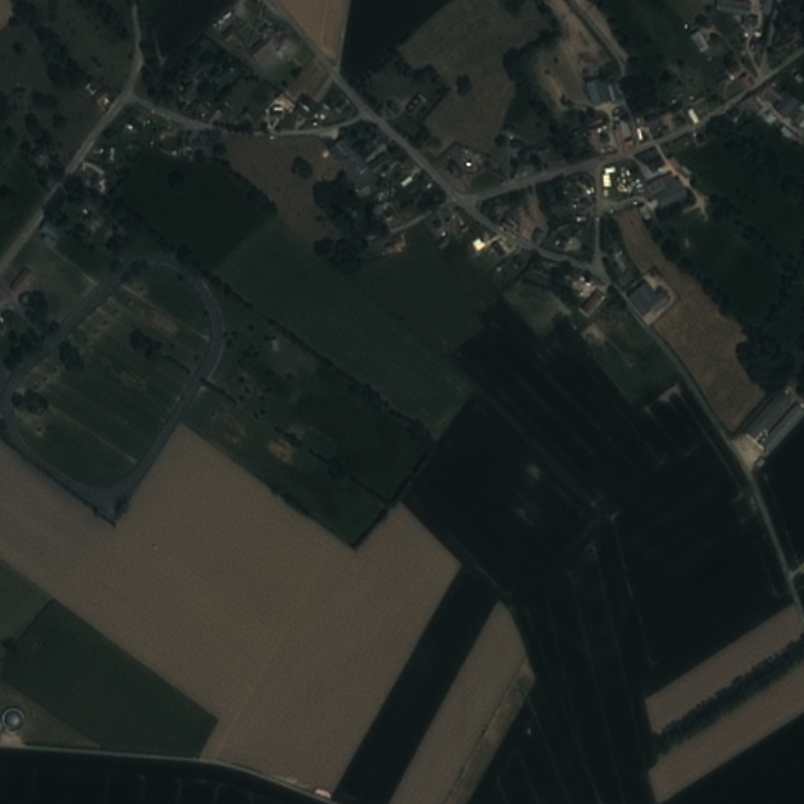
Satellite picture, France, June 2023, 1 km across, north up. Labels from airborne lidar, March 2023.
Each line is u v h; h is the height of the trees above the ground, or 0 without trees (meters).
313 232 0
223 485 0
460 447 0
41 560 0
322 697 0
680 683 0
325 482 0
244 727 0
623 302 14
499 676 0
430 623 0
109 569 0
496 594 0
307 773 0
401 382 0
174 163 0
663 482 0
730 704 18
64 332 0
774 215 0
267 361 0
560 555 0
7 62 0
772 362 21
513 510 0
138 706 0
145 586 0
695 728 18
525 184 0
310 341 0
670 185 0
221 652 0
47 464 0
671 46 0
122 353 0
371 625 0
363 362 0
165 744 0
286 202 0
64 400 0
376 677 0
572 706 0
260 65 0
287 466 0
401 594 0
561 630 0
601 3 12
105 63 0
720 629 0
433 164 0
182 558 0
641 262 0
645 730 0
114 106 0
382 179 7
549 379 0
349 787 0
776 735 0
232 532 0
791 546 0
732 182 0
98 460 0
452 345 0
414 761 0
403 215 0
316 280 0
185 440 0
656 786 0
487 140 0
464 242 0
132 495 0
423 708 0
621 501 0
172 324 0
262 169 0
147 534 0
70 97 0
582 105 0
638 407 0
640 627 0
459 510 0
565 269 13
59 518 0
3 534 0
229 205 0
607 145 0
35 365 0
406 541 0
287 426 0
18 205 0
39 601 0
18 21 7
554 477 0
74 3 0
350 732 0
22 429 0
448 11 0
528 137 0
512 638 0
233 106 0
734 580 0
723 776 0
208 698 0
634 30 0
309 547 0
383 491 0
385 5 0
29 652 0
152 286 0
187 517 0
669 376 0
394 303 0
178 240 0
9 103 21
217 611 0
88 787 0
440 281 0
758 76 0
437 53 0
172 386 0
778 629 0
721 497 0
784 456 0
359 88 6
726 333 0
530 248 0
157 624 0
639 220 0
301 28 0
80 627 0
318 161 0
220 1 0
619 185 0
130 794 0
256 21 0
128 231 11
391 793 0
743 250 0
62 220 16
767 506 0
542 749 0
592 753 0
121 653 0
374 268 0
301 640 0
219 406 0
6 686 0
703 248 0
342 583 0
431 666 0
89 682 0
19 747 0
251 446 0
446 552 0
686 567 0
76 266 0
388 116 0
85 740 0
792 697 0
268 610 0
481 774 0
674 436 0
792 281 22
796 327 0
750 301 0
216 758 0
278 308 0
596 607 0
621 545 0
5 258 0
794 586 0
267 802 0
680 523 0
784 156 0
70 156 0
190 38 0
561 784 0
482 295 0
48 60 0
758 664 0
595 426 0
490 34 0
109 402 0
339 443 0
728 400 0
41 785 0
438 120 0
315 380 0
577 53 0
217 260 0
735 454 0
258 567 0
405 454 0
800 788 0
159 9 0
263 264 0
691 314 0
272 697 0
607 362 0
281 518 0
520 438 0
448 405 0
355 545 6
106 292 0
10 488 0
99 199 15
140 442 0
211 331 0
